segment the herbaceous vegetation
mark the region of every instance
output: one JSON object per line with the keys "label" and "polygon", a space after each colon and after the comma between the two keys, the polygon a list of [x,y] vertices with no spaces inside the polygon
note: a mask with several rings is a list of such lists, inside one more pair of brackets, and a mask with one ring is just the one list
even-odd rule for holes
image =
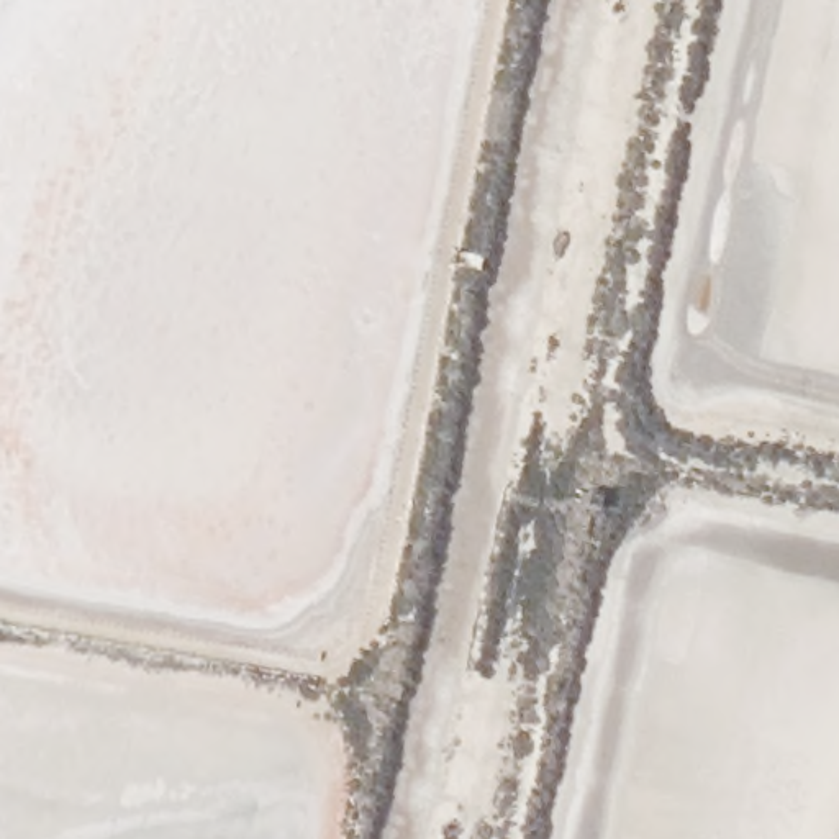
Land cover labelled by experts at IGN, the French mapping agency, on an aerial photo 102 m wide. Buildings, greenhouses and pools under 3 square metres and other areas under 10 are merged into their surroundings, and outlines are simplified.
{"label": "herbaceous vegetation", "polygon": [[118,642],[79,629],[0,619],[0,642],[66,646],[82,655],[102,655],[147,672],[203,672],[252,678],[265,688],[292,688],[308,701],[324,698],[331,708],[328,714],[315,714],[315,721],[344,724],[341,711],[334,708],[338,678],[298,675],[288,669],[220,659],[206,652],[164,649],[151,642]]}
{"label": "herbaceous vegetation", "polygon": [[823,475],[816,475],[806,465],[764,459],[757,465],[747,465],[744,478],[737,482],[741,469],[714,465],[705,459],[682,459],[669,452],[669,446],[659,449],[655,462],[642,462],[633,449],[626,449],[616,456],[606,452],[603,442],[603,410],[616,406],[619,416],[633,406],[636,397],[626,383],[616,380],[619,364],[626,361],[626,351],[633,344],[633,331],[613,338],[603,334],[603,328],[587,324],[583,354],[596,364],[590,374],[590,410],[574,433],[551,433],[547,439],[544,436],[541,472],[554,475],[557,462],[574,462],[574,498],[534,498],[518,488],[511,501],[524,508],[547,508],[567,518],[557,583],[544,603],[547,613],[560,623],[560,639],[554,646],[560,649],[560,662],[567,662],[574,652],[577,619],[583,616],[587,600],[587,587],[580,583],[580,557],[587,554],[587,547],[600,547],[600,537],[587,534],[587,524],[603,524],[603,505],[616,505],[619,495],[613,485],[633,472],[652,475],[662,488],[711,488],[731,498],[757,498],[764,505],[793,505],[796,511],[839,515],[839,452],[829,452],[832,462]]}
{"label": "herbaceous vegetation", "polygon": [[478,823],[475,839],[508,839],[521,760],[531,751],[528,731],[534,724],[537,678],[524,678],[518,708],[511,711],[511,747],[501,754],[495,810]]}
{"label": "herbaceous vegetation", "polygon": [[688,72],[682,82],[678,125],[692,125],[695,105],[708,85],[711,49],[724,0],[701,0],[695,43],[688,49]]}
{"label": "herbaceous vegetation", "polygon": [[357,701],[364,705],[370,721],[367,760],[357,760],[351,754],[344,767],[344,839],[364,839],[374,806],[367,796],[370,777],[380,770],[383,731],[393,718],[403,688],[403,665],[416,633],[420,610],[416,590],[426,580],[433,511],[449,465],[456,413],[452,403],[442,400],[442,393],[459,383],[459,354],[469,347],[472,321],[469,288],[475,285],[475,275],[482,269],[482,256],[488,252],[498,180],[495,170],[505,167],[501,157],[508,144],[515,75],[528,36],[528,7],[521,0],[508,0],[505,39],[498,52],[498,72],[492,85],[492,108],[482,144],[482,170],[475,177],[465,239],[452,256],[456,288],[446,318],[446,347],[439,357],[439,397],[426,426],[426,452],[416,478],[406,547],[397,574],[397,593],[387,623],[380,623],[370,642],[380,649],[380,662],[357,688]]}

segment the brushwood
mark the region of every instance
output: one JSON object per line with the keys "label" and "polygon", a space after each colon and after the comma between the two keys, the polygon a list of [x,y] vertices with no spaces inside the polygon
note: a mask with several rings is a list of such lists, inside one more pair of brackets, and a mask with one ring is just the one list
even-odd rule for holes
{"label": "brushwood", "polygon": [[521,655],[524,678],[537,678],[541,659],[554,646],[560,639],[560,623],[547,613],[544,603],[557,583],[567,518],[547,508],[524,508],[511,501],[501,521],[501,547],[492,560],[488,626],[482,639],[478,675],[488,678],[495,672],[505,619],[511,613],[521,613],[521,636],[528,642],[528,652]]}
{"label": "brushwood", "polygon": [[449,465],[433,511],[426,580],[416,590],[420,610],[416,633],[403,665],[403,688],[393,718],[383,731],[380,770],[370,777],[367,796],[374,806],[364,839],[383,839],[393,810],[397,777],[403,767],[410,705],[423,682],[423,659],[436,619],[436,593],[442,583],[452,534],[452,498],[462,478],[472,397],[482,377],[488,292],[501,269],[521,131],[531,105],[531,82],[537,75],[551,0],[521,0],[528,7],[528,36],[515,75],[508,144],[501,157],[505,167],[495,170],[498,180],[488,252],[482,256],[482,269],[475,275],[475,285],[469,288],[472,321],[469,347],[459,354],[459,383],[442,393],[442,400],[452,403],[456,413]]}
{"label": "brushwood", "polygon": [[341,711],[344,724],[344,741],[351,754],[357,760],[367,760],[370,721],[364,705],[357,701],[357,688],[380,662],[380,649],[370,642],[351,662],[347,675],[338,678],[334,708]]}
{"label": "brushwood", "polygon": [[567,662],[560,662],[560,675],[547,682],[544,692],[547,731],[537,783],[531,793],[531,810],[524,819],[524,839],[551,839],[551,813],[557,787],[567,770],[570,728],[580,701],[587,649],[603,603],[606,570],[613,564],[616,547],[626,541],[633,521],[646,511],[646,501],[662,488],[652,475],[633,472],[613,485],[619,495],[616,505],[603,505],[603,524],[587,524],[587,534],[600,537],[600,547],[587,547],[587,554],[580,557],[580,583],[587,587],[587,600],[583,616],[577,619],[574,652]]}
{"label": "brushwood", "polygon": [[544,416],[531,416],[518,488],[534,498],[574,498],[574,462],[557,462],[554,475],[541,472],[544,436]]}
{"label": "brushwood", "polygon": [[[603,334],[613,338],[633,331],[633,344],[626,351],[626,361],[619,364],[616,380],[626,383],[636,397],[633,406],[619,416],[626,449],[633,449],[642,462],[655,462],[659,449],[669,446],[669,452],[682,459],[705,459],[714,465],[741,469],[737,482],[744,478],[747,465],[757,465],[764,459],[806,465],[816,475],[823,475],[832,462],[829,452],[787,442],[741,442],[698,436],[688,429],[675,429],[655,403],[652,351],[659,341],[662,318],[662,279],[678,226],[682,190],[688,180],[692,125],[678,125],[669,144],[669,174],[659,213],[652,223],[642,223],[639,206],[646,197],[646,157],[655,144],[659,102],[665,98],[665,82],[672,75],[672,43],[682,26],[685,0],[659,0],[655,33],[646,49],[646,72],[639,88],[639,128],[626,144],[623,170],[616,177],[613,233],[606,239],[606,262],[596,275],[587,324],[603,328]],[[639,239],[652,243],[649,275],[642,302],[636,308],[626,308],[626,265],[639,259]]]}

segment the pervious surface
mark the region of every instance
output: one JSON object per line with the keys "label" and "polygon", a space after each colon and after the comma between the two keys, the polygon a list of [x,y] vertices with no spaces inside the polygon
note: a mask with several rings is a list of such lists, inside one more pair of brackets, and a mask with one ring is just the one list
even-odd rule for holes
{"label": "pervious surface", "polygon": [[606,570],[603,603],[587,649],[580,701],[570,728],[567,770],[557,787],[551,813],[551,839],[839,839],[839,515],[796,511],[793,505],[764,505],[757,498],[731,498],[711,488],[662,488],[646,501],[646,511],[633,521],[626,541],[616,547],[613,564]]}
{"label": "pervious surface", "polygon": [[524,839],[524,819],[531,810],[531,793],[537,783],[547,731],[544,692],[547,682],[560,675],[560,662],[560,649],[554,646],[541,659],[537,678],[534,724],[528,731],[531,751],[521,760],[508,839]]}
{"label": "pervious surface", "polygon": [[498,52],[505,39],[508,0],[0,0],[0,619],[79,629],[118,642],[151,642],[164,649],[206,652],[220,659],[288,669],[298,675],[338,678],[347,675],[351,662],[370,642],[380,623],[387,623],[397,593],[397,574],[406,547],[416,478],[426,452],[426,426],[439,397],[439,357],[446,347],[446,318],[456,288],[452,256],[465,239],[475,177],[482,170],[482,144],[492,108],[492,85],[498,72]]}
{"label": "pervious surface", "polygon": [[639,259],[626,265],[626,308],[636,308],[642,302],[649,275],[652,243],[639,239]]}
{"label": "pervious surface", "polygon": [[672,43],[672,75],[665,82],[665,98],[659,102],[655,144],[646,157],[646,197],[639,206],[642,223],[652,223],[659,213],[669,174],[669,144],[678,125],[682,82],[688,72],[688,49],[695,43],[701,0],[685,0],[682,26]]}
{"label": "pervious surface", "polygon": [[839,452],[839,0],[724,0],[711,49],[708,85],[695,105],[692,125],[688,180],[682,190],[678,226],[662,279],[662,318],[659,341],[652,351],[655,403],[675,429],[688,429],[698,436],[741,442],[787,442],[829,452]]}
{"label": "pervious surface", "polygon": [[495,672],[488,678],[478,675],[482,639],[488,626],[492,560],[501,547],[501,521],[511,501],[518,488],[531,416],[544,416],[544,436],[547,439],[551,433],[574,433],[590,410],[590,374],[596,364],[583,354],[587,324],[596,275],[606,262],[606,239],[613,233],[616,177],[623,170],[626,144],[639,128],[639,88],[646,72],[646,49],[655,33],[659,0],[551,0],[537,75],[531,82],[531,105],[521,131],[501,269],[488,292],[482,377],[472,397],[462,478],[452,498],[452,534],[442,583],[436,593],[436,619],[423,659],[423,682],[410,705],[403,767],[397,777],[393,810],[383,839],[475,839],[478,823],[495,810],[501,754],[511,747],[511,711],[518,708],[524,678],[521,655],[528,652],[528,642],[521,636],[521,613],[511,613],[505,619]]}
{"label": "pervious surface", "polygon": [[626,449],[619,416],[616,406],[603,410],[603,442],[606,452],[616,456]]}
{"label": "pervious surface", "polygon": [[0,839],[344,839],[344,767],[351,754],[344,741],[344,724],[315,721],[315,714],[328,714],[331,708],[324,698],[308,701],[292,688],[265,688],[252,678],[203,672],[147,672],[102,655],[82,655],[66,646],[0,642]]}

